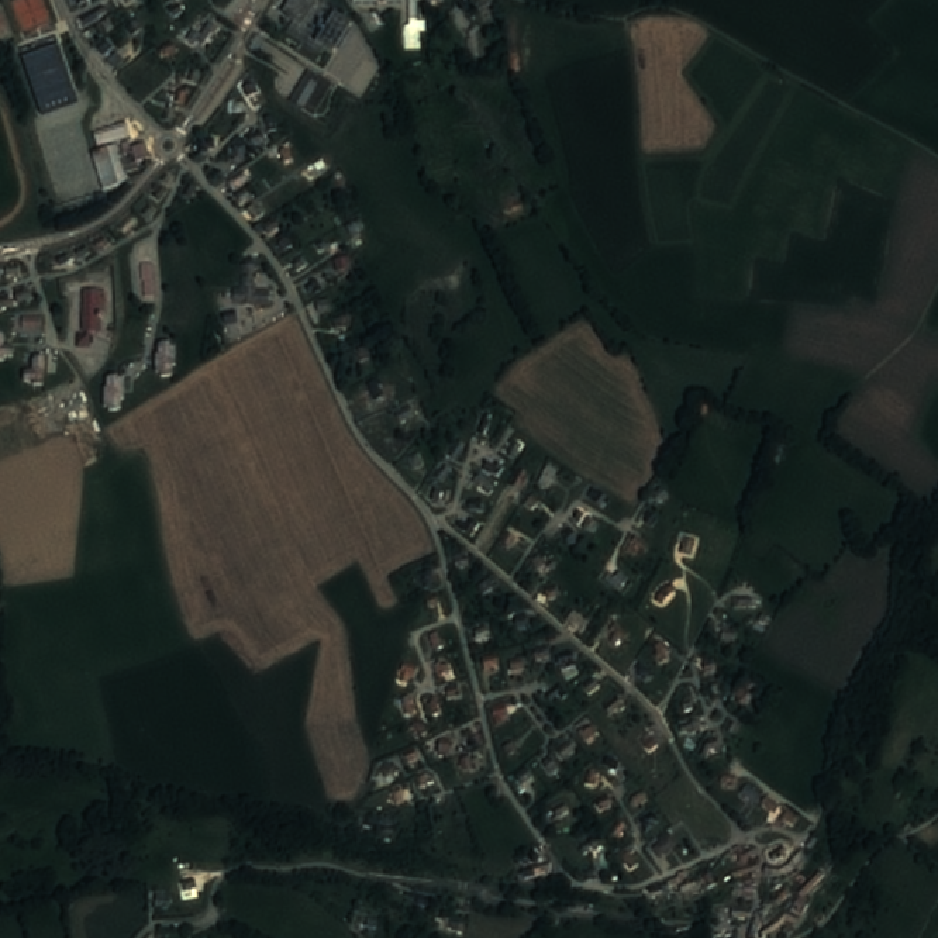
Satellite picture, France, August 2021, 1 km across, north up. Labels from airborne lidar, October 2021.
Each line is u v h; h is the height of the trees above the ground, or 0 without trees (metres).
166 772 0
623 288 0
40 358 0
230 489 0
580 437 0
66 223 16
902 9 0
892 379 0
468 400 0
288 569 0
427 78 0
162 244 14
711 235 0
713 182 0
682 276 0
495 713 0
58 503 0
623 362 0
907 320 0
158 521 0
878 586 0
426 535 0
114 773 12
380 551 0
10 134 0
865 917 8
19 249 0
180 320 0
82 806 0
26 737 0
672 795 0
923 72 0
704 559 0
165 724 0
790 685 0
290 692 0
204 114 0
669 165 0
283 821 17
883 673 17
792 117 0
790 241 0
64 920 13
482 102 0
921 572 24
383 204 0
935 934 0
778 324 0
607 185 0
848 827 25
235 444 0
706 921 16
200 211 0
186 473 0
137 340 0
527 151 0
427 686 0
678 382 0
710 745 0
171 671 0
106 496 0
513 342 0
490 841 0
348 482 0
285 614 0
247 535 0
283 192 0
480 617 8
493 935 0
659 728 0
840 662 0
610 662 0
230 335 0
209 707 0
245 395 0
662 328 0
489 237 16
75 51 9
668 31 0
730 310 0
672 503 0
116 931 0
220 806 7
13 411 0
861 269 0
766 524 0
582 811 11
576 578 0
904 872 0
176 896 0
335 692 0
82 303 0
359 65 0
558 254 0
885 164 0
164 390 0
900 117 0
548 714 6
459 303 0
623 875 9
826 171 0
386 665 0
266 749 0
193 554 0
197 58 7
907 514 21
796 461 0
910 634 22
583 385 0
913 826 9
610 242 0
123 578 0
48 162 0
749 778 0
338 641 0
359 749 0
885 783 0
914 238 0
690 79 0
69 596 0
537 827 12
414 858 15
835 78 0
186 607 0
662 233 0
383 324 7
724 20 0
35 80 0
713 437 0
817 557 0
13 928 0
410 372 0
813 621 0
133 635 0
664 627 0
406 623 0
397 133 8
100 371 0
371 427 0
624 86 0
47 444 0
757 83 0
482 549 0
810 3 0
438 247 0
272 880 13
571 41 0
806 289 0
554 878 10
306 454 0
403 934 14
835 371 0
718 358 0
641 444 0
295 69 0
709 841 0
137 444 0
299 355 0
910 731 0
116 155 0
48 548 0
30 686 0
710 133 0
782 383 0
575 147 0
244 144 7
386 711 0
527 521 0
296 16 0
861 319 0
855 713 25
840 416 15
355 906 11
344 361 14
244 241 0
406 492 0
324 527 0
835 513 0
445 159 0
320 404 0
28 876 10
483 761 0
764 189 0
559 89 0
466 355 0
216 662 0
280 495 0
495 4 13
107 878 19
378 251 0
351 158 0
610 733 0
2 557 0
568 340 0
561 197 0
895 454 0
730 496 0
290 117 0
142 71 0
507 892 14
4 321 0
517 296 20
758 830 0
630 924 7
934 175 0
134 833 15
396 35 0
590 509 0
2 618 13
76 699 0
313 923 0
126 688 0
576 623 0
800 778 0
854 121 0
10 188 0
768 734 0
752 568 0
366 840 10
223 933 18
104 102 0
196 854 0
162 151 0
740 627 12
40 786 0
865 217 0
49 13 0
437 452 10
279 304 0
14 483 0
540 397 0
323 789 0
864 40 0
